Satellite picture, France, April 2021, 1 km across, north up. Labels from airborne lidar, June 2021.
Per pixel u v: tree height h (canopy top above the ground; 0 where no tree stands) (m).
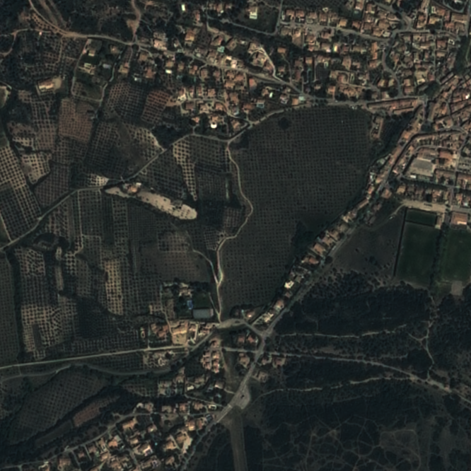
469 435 9
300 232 7
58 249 0
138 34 8
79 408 6
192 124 13
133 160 0
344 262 0
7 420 6
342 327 6
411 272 0
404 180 10
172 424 7
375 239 0
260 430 5
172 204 0
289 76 6
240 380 0
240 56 6
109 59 8
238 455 0
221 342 0
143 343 8
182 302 13
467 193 10
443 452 0
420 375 7
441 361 6
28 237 8
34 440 6
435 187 9
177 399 11
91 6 0
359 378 6
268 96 10
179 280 12
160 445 5
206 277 0
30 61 9
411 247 0
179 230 0
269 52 7
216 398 6
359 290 7
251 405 0
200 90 0
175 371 11
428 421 0
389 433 0
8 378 0
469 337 6
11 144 6
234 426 0
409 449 0
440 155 0
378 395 7
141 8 0
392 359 6
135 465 6
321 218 0
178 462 6
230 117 6
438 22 6
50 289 7
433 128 8
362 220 9
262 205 0
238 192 0
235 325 0
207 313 0
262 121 7
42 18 8
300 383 6
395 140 15
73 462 9
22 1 9
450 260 0
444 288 0
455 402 8
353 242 0
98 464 0
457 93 0
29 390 9
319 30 0
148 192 0
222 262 0
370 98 10
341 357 5
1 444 6
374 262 11
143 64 8
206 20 9
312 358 7
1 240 0
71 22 0
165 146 10
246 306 8
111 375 0
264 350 0
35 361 7
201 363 6
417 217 0
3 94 0
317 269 12
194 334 0
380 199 10
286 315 7
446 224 7
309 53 8
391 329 7
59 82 0
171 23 6
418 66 0
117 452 6
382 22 0
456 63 14
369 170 5
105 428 6
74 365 8
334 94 0
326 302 8
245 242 0
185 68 6
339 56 8
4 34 8
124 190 7
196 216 0
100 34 0
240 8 9
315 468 0
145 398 7
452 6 12
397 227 0
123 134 0
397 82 6
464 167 0
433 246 0
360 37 7
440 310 6
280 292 7
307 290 13
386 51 7
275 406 5
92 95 0
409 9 8
